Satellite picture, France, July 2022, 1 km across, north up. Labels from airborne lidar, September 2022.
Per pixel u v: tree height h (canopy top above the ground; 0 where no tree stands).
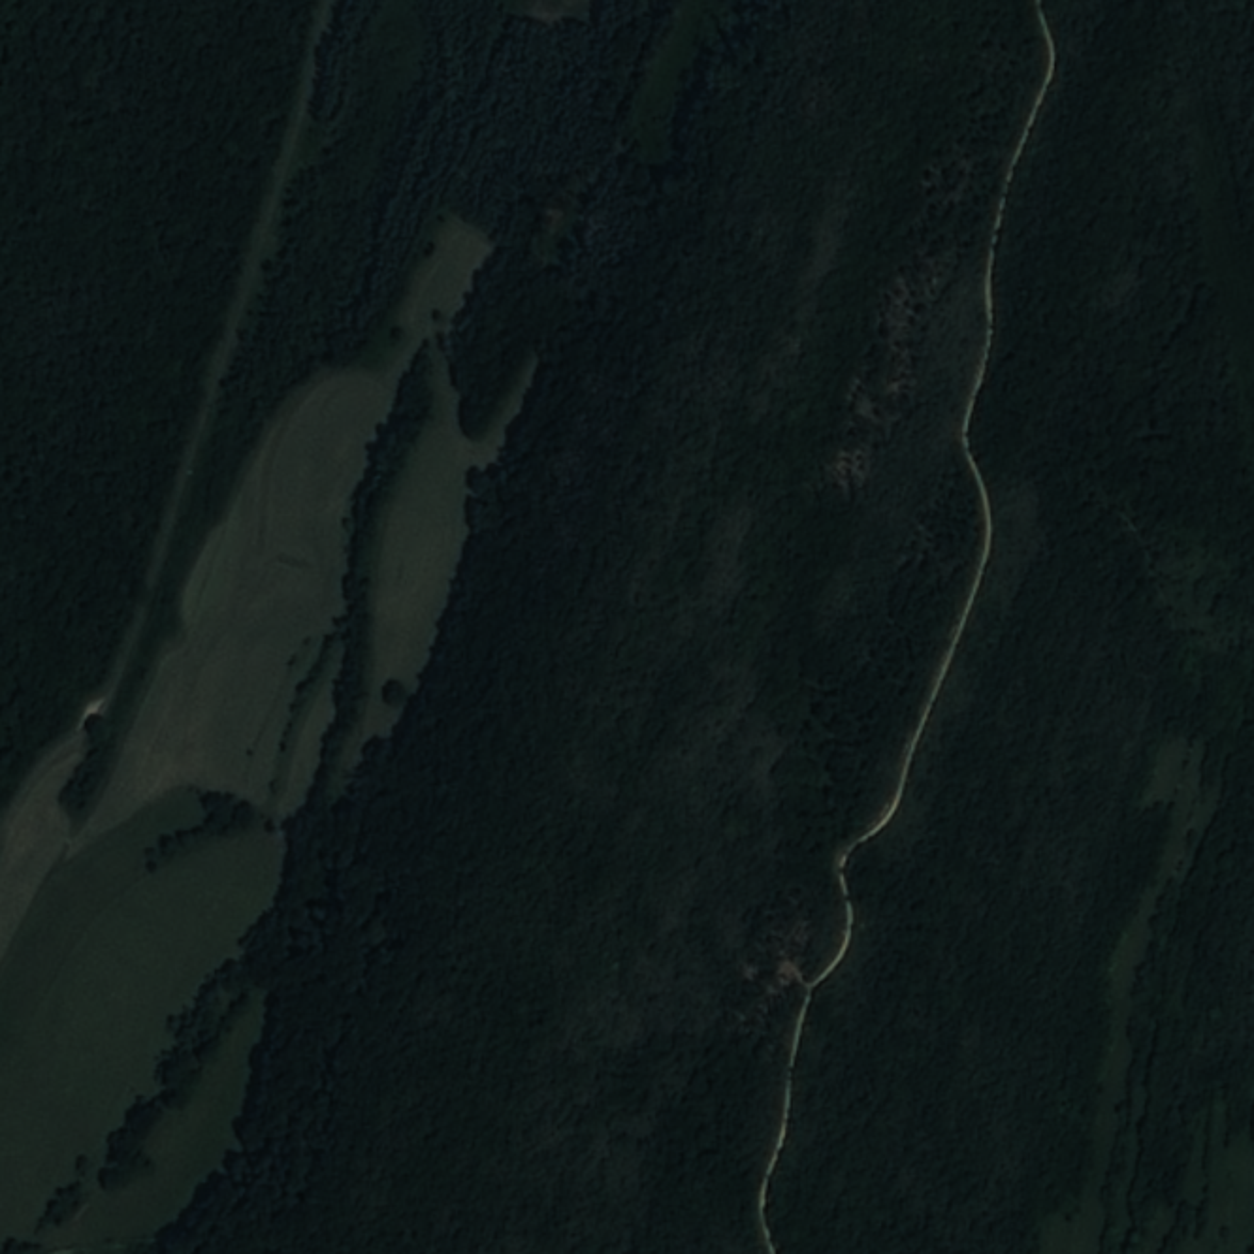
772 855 8
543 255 9
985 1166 9
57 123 20
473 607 17
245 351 17
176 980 0
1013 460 14
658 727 12
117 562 19
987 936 9
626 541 14
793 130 11
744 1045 20
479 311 19
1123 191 15
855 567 9
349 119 12
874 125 12
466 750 20
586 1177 7
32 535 18
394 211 24
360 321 28
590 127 21
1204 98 7
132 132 18
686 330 14
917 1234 12
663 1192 14
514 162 23
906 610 11
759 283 9
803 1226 17
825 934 6
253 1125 19
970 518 12
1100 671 9
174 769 0
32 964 0
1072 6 9
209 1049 19
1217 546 7
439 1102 11
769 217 6
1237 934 11
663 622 7
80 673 13
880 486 8
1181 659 11
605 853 13
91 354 17
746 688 8
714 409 7
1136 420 16
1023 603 13
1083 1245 0
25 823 0
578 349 29
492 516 27
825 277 7
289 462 0
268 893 0
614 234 24
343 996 21
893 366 18
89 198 18
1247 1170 0
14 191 17
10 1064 0
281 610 0
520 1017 15
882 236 17
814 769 18
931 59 17
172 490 19
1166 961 16
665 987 8
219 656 0
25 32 11
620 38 26
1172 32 15
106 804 0
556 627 16
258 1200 21
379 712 0
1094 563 17
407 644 0
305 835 24
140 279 17
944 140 19
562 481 23
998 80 15
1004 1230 13
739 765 7
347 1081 21
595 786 7
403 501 0
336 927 28
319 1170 22
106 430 21
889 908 15
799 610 15
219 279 17
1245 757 9
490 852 13
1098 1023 13
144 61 17
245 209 16
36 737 16
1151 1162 11
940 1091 12
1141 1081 6
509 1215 13
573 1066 14
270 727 0
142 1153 6
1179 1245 10
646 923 13
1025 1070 9
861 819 9
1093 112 17
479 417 23
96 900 0
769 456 15
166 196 16
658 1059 15
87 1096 0
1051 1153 12
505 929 10
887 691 15
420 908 22
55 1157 0
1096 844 8
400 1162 13
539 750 9
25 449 6
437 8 22
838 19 10
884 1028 8
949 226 21
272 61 18
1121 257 15
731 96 20
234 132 17
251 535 0
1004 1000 9
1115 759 8
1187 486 18
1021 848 11
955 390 6
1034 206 11
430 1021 6
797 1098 11
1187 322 16
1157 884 10
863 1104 13
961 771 11
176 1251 27
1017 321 16
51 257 21
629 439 20
